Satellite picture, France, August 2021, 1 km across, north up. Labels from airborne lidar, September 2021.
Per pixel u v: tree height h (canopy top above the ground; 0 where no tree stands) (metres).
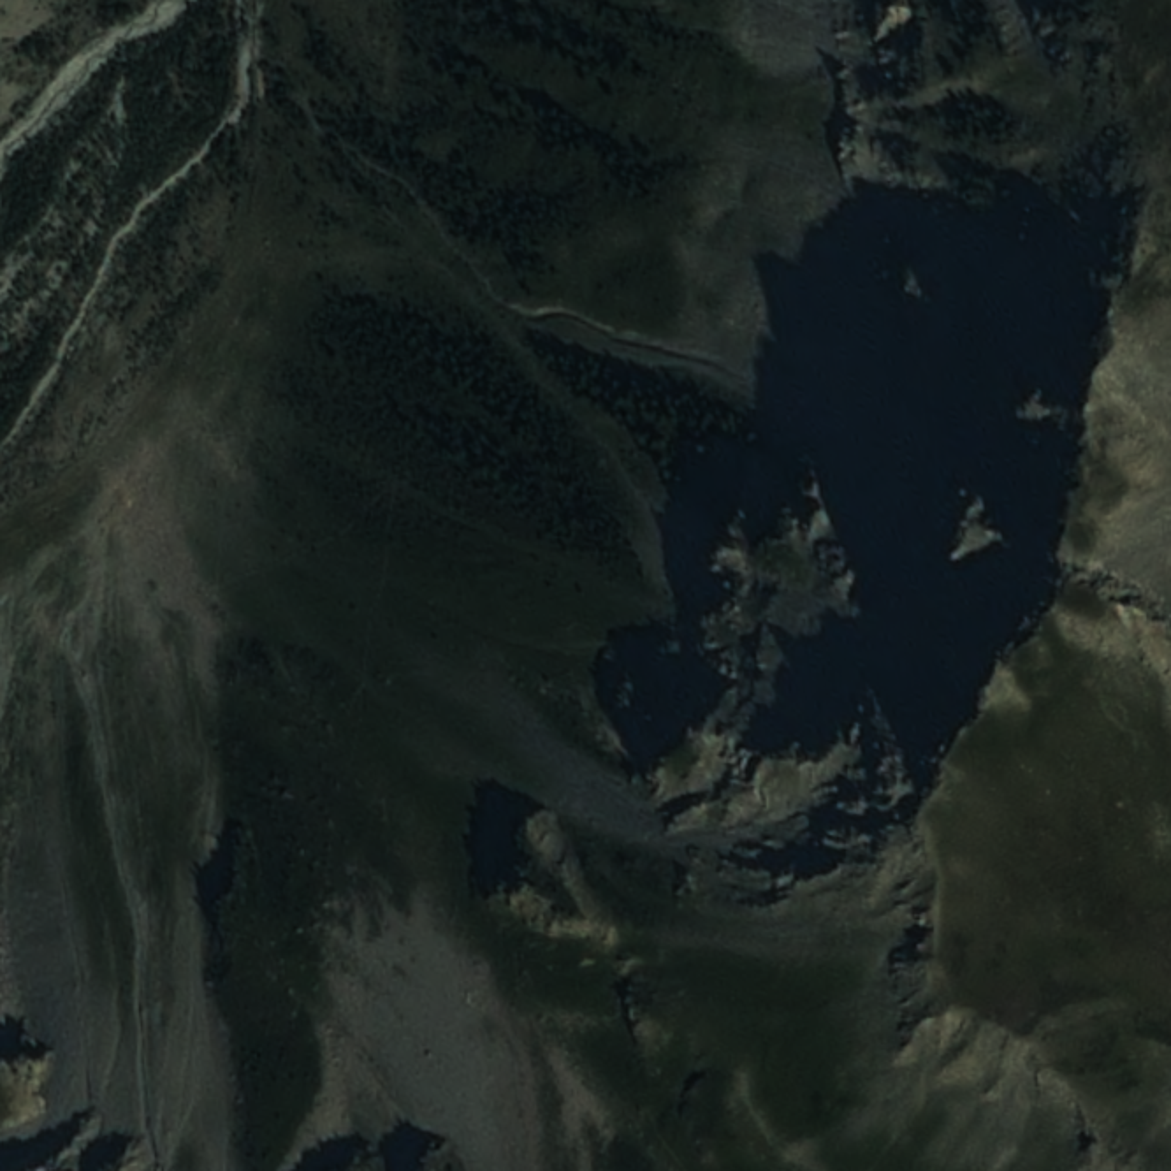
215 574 0
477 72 16
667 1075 0
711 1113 0
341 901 0
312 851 0
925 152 0
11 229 6
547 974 0
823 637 0
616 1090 0
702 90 0
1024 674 0
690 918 0
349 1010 0
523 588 0
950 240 0
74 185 6
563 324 0
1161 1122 0
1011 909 0
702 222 0
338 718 0
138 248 7
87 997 0
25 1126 0
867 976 0
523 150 0
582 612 0
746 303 0
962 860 0
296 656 0
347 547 0
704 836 0
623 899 0
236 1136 0
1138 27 0
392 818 0
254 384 0
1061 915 0
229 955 0
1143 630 0
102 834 0
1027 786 0
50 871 0
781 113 0
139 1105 0
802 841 0
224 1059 0
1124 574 0
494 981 0
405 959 0
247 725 0
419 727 0
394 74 0
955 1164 0
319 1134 0
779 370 0
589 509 7
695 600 0
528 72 0
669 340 0
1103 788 0
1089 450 0
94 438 0
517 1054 0
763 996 0
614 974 0
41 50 14
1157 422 0
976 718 0
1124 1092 0
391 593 0
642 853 0
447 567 0
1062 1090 0
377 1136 0
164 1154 0
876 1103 0
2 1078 0
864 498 0
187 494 0
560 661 0
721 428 7
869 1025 0
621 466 0
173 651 0
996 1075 0
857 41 0
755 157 0
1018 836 0
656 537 0
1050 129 0
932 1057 0
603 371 9
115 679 0
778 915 0
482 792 0
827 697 0
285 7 0
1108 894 0
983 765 0
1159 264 0
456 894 0
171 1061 0
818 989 0
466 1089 0
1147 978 0
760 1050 0
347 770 0
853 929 0
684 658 0
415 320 9
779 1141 0
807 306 0
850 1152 0
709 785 0
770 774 0
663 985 0
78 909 0
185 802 0
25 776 0
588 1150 0
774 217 0
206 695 0
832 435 0
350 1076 0
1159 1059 0
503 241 8
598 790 0
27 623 0
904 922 0
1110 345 0
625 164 12
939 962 0
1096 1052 0
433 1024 0
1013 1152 0
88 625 0
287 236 0
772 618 0
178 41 9
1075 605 0
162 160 7
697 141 0
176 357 0
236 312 0
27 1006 0
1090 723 0
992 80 0
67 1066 0
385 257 0
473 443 13
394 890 0
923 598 0
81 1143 0
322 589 0
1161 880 0
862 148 0
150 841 0
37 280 7
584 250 0
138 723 0
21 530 0
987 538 0
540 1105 0
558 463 9
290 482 0
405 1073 0
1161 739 0
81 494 0
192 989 0
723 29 0
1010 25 0
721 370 0
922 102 0
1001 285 0
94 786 0
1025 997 0
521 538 0
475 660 0
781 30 0
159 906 0
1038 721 0
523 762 0
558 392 0
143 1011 0
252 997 0
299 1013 0
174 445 0
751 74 0
